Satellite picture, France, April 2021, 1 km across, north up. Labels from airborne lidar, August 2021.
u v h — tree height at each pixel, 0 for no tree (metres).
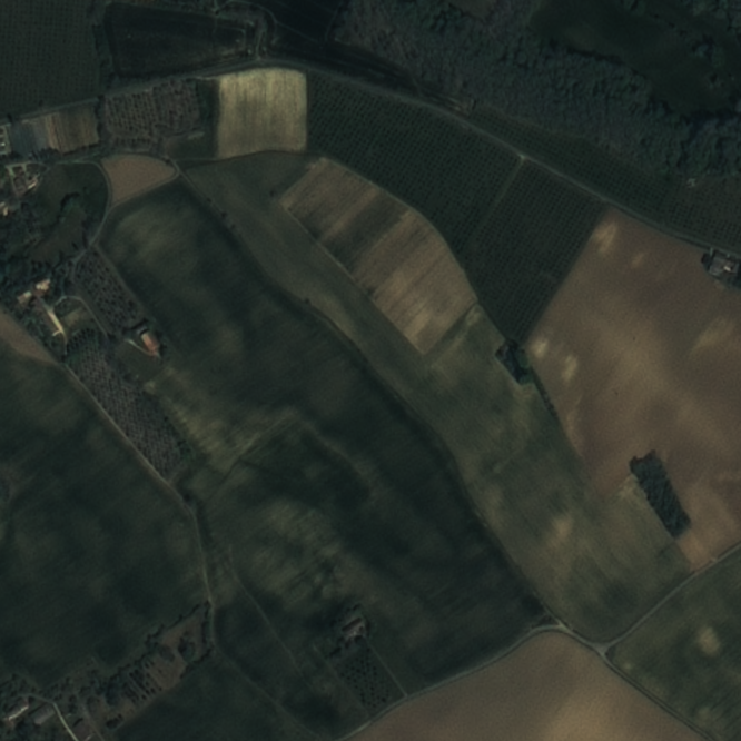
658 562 0
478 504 0
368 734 0
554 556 0
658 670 0
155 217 0
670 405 0
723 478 0
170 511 0
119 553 0
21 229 6
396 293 0
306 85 0
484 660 0
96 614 0
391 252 0
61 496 0
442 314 0
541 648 0
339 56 0
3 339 0
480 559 0
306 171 0
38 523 0
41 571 0
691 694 0
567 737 0
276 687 0
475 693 0
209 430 0
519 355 22
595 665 0
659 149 21
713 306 0
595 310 0
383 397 0
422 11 25
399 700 0
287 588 0
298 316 0
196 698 0
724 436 0
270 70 0
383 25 19
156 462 8
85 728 0
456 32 26
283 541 0
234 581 0
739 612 0
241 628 0
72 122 0
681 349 0
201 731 0
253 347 0
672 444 0
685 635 0
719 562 0
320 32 0
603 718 0
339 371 0
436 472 0
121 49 0
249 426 0
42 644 0
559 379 0
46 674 0
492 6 0
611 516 0
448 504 0
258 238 0
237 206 0
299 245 0
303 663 0
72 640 0
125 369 14
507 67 19
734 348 0
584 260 0
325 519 0
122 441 0
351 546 0
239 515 0
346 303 0
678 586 0
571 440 0
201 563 0
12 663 0
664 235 0
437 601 0
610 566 0
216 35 0
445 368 0
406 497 0
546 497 0
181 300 0
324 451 0
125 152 14
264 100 0
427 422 0
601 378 0
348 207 0
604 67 25
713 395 0
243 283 0
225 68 0
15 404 0
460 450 0
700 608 0
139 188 0
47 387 0
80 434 0
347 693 0
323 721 0
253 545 0
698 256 0
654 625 0
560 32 0
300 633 0
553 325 0
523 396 0
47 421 0
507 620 0
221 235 0
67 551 0
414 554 0
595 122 18
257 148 0
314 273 0
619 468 0
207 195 0
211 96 0
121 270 0
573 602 0
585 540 0
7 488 15
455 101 0
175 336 0
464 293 0
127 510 0
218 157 0
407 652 0
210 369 0
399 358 0
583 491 0
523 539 0
